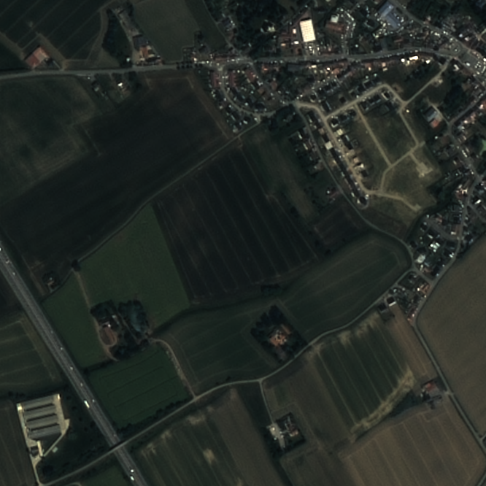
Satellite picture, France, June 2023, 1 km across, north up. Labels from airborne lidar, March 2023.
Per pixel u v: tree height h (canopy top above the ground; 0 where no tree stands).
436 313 0
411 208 0
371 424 0
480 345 0
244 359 0
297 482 0
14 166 0
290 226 0
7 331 0
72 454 0
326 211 0
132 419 0
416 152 0
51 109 0
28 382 0
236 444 0
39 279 0
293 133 0
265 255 0
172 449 0
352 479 0
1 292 0
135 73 8
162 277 0
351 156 0
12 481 0
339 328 0
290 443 6
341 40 0
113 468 0
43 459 8
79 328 0
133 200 0
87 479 0
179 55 0
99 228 0
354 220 0
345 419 0
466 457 0
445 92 0
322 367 0
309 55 0
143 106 0
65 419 0
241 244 0
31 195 0
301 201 0
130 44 0
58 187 0
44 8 0
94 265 0
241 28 6
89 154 0
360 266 0
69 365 0
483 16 11
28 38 0
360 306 0
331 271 0
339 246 0
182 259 0
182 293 0
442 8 13
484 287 0
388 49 0
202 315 0
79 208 0
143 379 0
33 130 0
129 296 0
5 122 0
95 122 0
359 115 0
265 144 0
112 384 0
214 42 0
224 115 0
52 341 0
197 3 0
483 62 0
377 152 0
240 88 0
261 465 0
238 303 0
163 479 0
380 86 0
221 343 0
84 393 0
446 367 0
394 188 0
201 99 0
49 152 0
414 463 0
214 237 0
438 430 0
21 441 0
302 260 0
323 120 0
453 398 0
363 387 0
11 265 0
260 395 0
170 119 0
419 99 0
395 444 0
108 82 0
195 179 0
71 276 0
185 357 0
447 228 0
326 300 0
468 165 0
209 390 0
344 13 0
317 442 0
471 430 0
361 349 0
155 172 0
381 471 0
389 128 0
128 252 0
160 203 0
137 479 0
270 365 0
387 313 0
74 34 0
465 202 0
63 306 0
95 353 0
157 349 0
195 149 0
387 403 0
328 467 0
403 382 0
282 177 0
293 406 0
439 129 0
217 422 0
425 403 0
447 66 0
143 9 0
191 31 0
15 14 0
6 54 0
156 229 0
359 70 0
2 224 0
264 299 0
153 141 0
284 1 0
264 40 9
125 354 12
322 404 0
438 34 0
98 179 0
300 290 0
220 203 0
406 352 0
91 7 0
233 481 0
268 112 0
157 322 0
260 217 0
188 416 0
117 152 0
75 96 0
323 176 0
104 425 0
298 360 0
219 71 0
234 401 0
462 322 0
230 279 0
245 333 0
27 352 0
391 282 0
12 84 0
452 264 0
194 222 0
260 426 0
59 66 0
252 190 0
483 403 0
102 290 0
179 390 0
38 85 0
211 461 0
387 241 0
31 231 0
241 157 0
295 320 0
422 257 0
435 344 0
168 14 0
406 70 0
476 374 0
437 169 0
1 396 0
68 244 0
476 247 0
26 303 0
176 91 0
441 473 0
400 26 0
